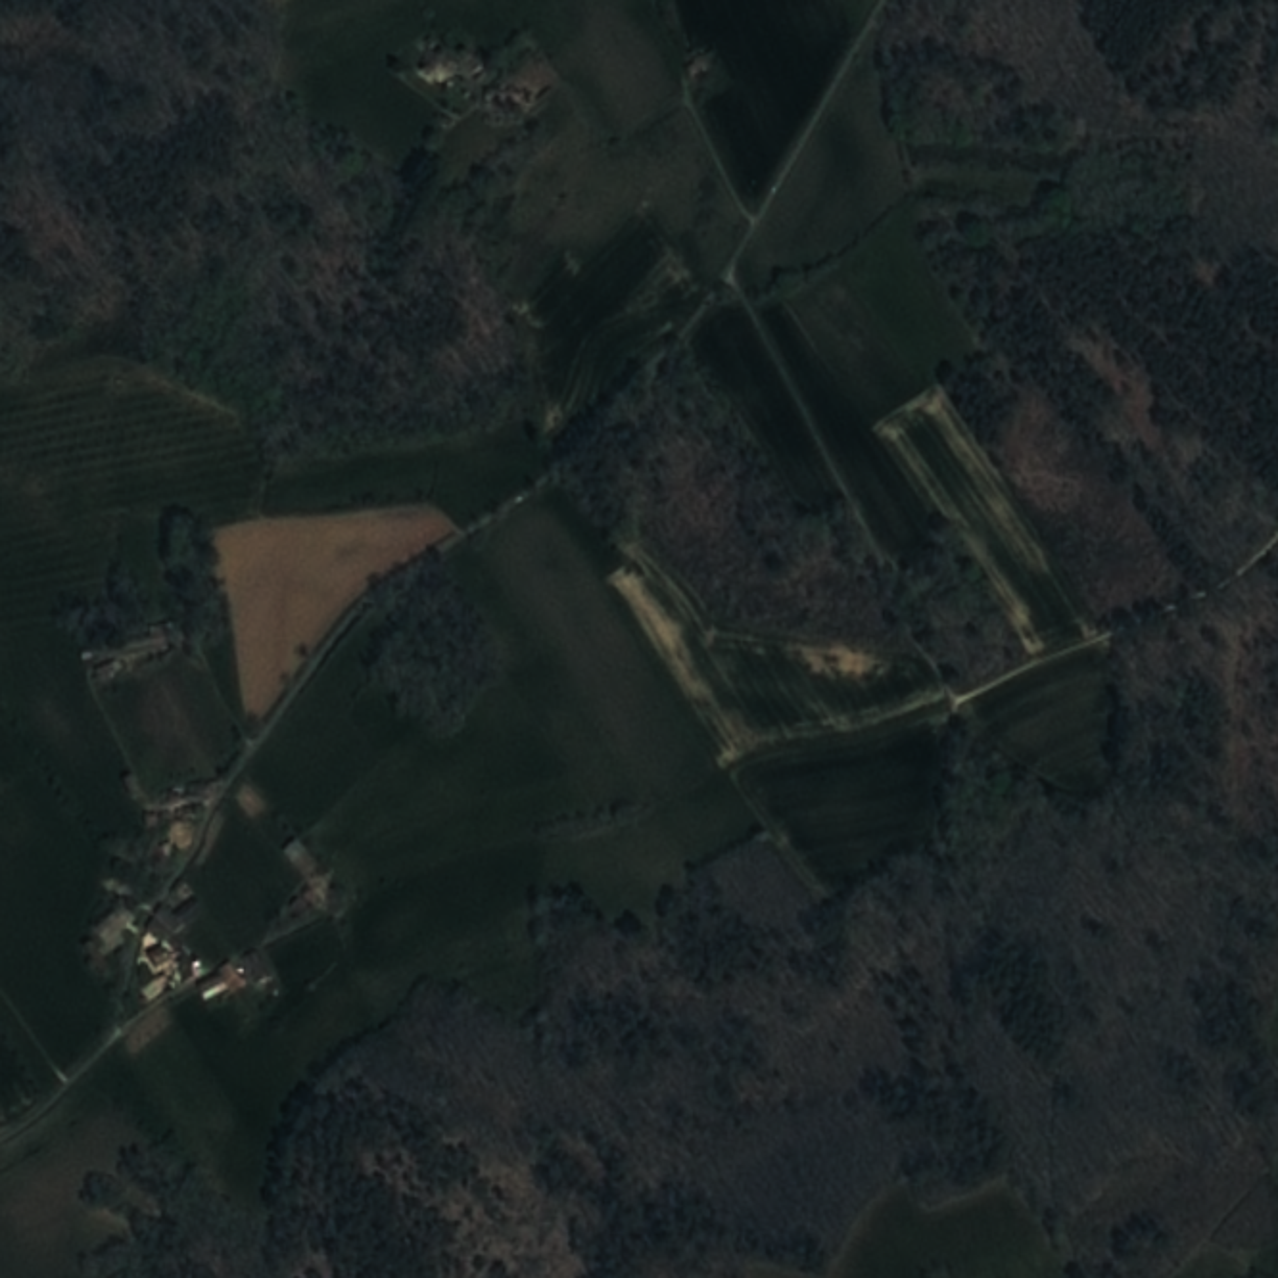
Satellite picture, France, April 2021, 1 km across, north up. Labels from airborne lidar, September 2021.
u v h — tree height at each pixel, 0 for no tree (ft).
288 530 0
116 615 52
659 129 0
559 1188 96
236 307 65
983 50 23
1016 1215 0
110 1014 0
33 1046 0
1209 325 71
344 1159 102
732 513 24
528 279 0
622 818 38
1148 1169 22
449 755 0
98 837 20
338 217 70
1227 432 65
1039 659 0
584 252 0
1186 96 53
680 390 70
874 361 0
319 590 0
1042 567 0
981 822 62
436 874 0
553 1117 62
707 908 68
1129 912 50
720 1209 68
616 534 69
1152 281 62
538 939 58
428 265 38
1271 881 40
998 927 57
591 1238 71
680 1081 62
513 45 22
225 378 75
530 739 0
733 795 0
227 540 0
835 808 0
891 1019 25
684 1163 51
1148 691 50
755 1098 55
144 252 60
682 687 0
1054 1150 66
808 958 61
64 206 40
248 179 69
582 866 0
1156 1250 74
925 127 53
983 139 51
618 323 0
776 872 51
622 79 0
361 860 0
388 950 0
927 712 0
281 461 50
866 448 0
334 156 61
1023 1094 64
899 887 50
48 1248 0
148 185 77
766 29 0
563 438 0
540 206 0
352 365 102
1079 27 32
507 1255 0
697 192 0
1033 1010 95
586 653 0
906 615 64
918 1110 87
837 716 0
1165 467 62
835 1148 57
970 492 0
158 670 0
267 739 0
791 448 0
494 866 0
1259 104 39
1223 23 45
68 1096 0
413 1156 81
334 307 57
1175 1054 67
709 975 81
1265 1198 24
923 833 0
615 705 0
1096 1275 53
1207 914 48
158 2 60
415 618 70
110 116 71
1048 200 61
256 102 46
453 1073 38
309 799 0
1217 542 47
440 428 85
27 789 0
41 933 0
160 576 0
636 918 0
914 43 29
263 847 0
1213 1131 70
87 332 25
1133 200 52
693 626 0
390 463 0
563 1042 65
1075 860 54
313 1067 0
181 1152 20
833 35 0
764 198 0
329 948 0
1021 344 47
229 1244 63
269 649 0
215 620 61
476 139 0
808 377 0
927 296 0
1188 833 61
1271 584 24
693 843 0
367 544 0
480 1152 64
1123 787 73
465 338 80
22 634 0
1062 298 73
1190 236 69
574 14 0
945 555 71
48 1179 0
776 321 0
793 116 0
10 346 61
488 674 46
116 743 0
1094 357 45
